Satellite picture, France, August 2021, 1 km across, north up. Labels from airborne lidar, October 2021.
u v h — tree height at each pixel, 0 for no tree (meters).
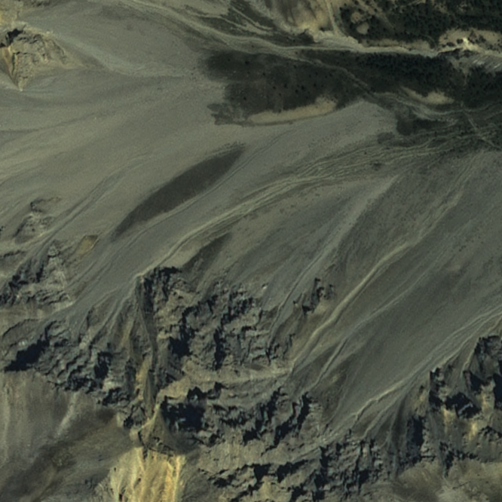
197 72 0
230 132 0
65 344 0
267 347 0
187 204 0
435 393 0
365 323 0
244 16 0
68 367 0
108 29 0
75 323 0
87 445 0
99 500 0
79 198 0
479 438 0
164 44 0
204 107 0
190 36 0
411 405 0
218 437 0
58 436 0
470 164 0
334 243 0
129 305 0
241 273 0
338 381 0
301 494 0
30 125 0
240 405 0
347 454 0
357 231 0
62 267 0
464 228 0
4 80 0
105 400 0
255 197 0
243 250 0
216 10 0
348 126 0
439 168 0
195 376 0
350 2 0
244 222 0
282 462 0
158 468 0
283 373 0
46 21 0
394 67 12
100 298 0
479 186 0
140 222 0
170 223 0
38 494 0
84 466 0
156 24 0
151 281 0
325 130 0
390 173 0
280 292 0
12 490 0
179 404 0
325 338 0
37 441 0
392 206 0
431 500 0
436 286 0
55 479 0
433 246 0
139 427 0
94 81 0
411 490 0
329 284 0
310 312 0
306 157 0
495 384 0
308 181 0
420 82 14
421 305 0
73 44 0
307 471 0
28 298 0
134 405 0
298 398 0
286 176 0
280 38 0
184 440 0
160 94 0
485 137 0
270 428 0
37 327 0
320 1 0
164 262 0
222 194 0
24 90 0
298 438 0
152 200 0
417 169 0
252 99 0
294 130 0
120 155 0
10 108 0
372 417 0
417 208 0
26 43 0
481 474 0
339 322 0
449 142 0
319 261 0
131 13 0
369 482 0
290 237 0
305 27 0
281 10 0
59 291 0
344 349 0
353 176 0
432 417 0
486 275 0
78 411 0
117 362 0
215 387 0
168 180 0
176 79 0
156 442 0
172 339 0
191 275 0
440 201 0
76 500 0
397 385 0
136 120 0
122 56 0
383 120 0
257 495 0
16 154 0
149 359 0
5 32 0
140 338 0
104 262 0
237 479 0
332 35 0
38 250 0
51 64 0
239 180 0
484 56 0
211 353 0
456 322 0
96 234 0
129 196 0
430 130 0
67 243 0
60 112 0
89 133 0
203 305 0
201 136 0
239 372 0
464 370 0
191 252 0
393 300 0
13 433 0
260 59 0
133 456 0
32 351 0
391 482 0
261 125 0
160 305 0
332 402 0
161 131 0
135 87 0
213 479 0
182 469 0
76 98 0
